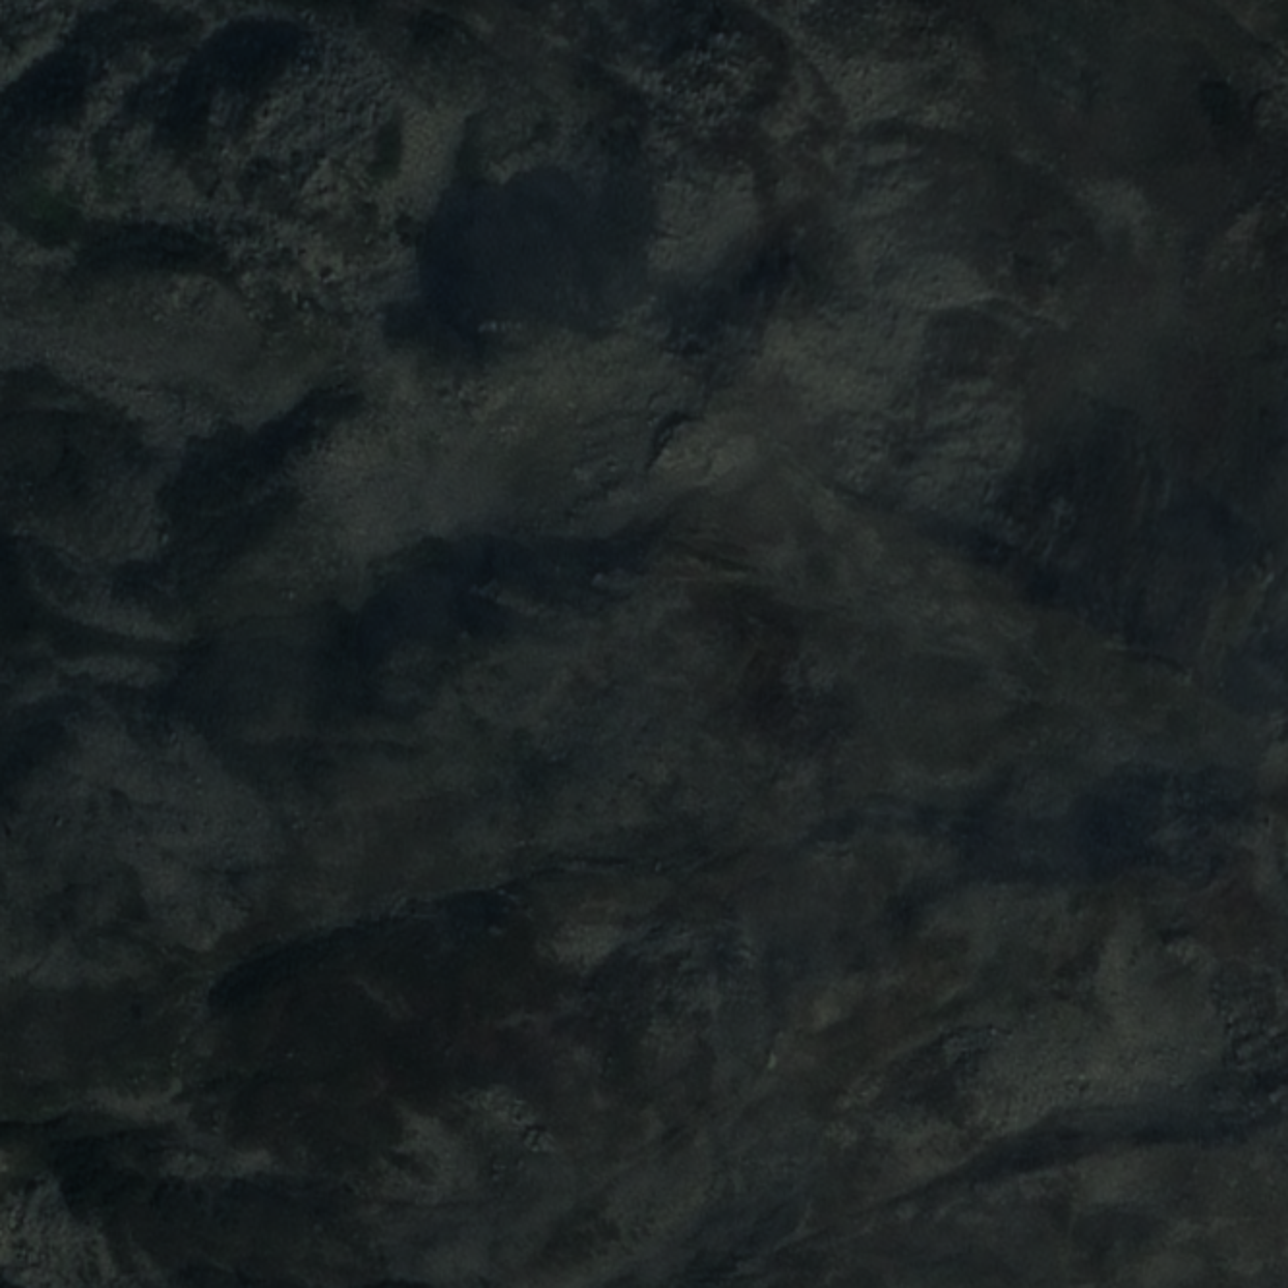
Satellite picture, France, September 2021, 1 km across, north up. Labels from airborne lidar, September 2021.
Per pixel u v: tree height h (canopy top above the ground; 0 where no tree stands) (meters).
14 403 0
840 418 0
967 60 0
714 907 0
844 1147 0
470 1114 0
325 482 0
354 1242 0
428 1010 0
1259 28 0
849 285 0
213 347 0
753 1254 0
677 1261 0
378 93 0
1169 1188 0
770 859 0
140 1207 0
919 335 0
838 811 0
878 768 0
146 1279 0
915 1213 0
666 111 0
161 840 0
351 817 0
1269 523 0
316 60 0
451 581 0
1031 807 0
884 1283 0
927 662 0
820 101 0
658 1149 0
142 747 0
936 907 0
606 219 6
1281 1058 0
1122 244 0
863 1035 0
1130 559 0
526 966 0
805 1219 0
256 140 0
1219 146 0
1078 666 0
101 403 0
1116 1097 0
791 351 0
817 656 0
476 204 0
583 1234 0
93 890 0
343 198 0
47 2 0
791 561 0
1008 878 0
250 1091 0
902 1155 0
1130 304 0
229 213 0
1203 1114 0
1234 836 0
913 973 0
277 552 0
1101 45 0
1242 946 0
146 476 0
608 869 0
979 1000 0
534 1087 0
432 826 0
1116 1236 0
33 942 0
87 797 0
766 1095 0
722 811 0
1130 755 0
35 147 0
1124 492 0
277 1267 0
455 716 0
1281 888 0
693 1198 0
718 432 0
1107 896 0
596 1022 0
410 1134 0
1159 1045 0
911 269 0
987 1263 0
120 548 0
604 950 0
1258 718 0
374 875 0
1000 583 0
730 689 0
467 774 0
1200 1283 0
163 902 0
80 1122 0
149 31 0
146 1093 0
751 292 0
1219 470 0
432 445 0
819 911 0
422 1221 0
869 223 0
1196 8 0
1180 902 0
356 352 0
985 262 0
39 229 6
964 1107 0
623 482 0
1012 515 0
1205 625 0
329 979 0
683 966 0
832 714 0
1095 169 0
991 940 0
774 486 0
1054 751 0
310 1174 0
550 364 0
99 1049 0
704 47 0
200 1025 0
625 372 0
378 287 0
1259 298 0
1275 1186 0
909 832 0
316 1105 0
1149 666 0
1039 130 0
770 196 0
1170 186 0
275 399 0
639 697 0
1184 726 0
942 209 0
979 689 0
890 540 0
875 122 0
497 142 0
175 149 0
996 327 0
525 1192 0
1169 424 0
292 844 0
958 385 0
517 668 0
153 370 0
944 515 0
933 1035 0
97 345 0
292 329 0
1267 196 0
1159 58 0
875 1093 0
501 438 0
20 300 0
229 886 0
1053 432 0
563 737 0
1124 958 0
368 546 0
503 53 0
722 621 0
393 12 0
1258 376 0
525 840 0
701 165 0
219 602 0
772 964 0
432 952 0
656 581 0
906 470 0
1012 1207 0
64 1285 0
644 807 0
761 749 0
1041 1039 0
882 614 0
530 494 0
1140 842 0
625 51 0
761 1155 0
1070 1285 0
